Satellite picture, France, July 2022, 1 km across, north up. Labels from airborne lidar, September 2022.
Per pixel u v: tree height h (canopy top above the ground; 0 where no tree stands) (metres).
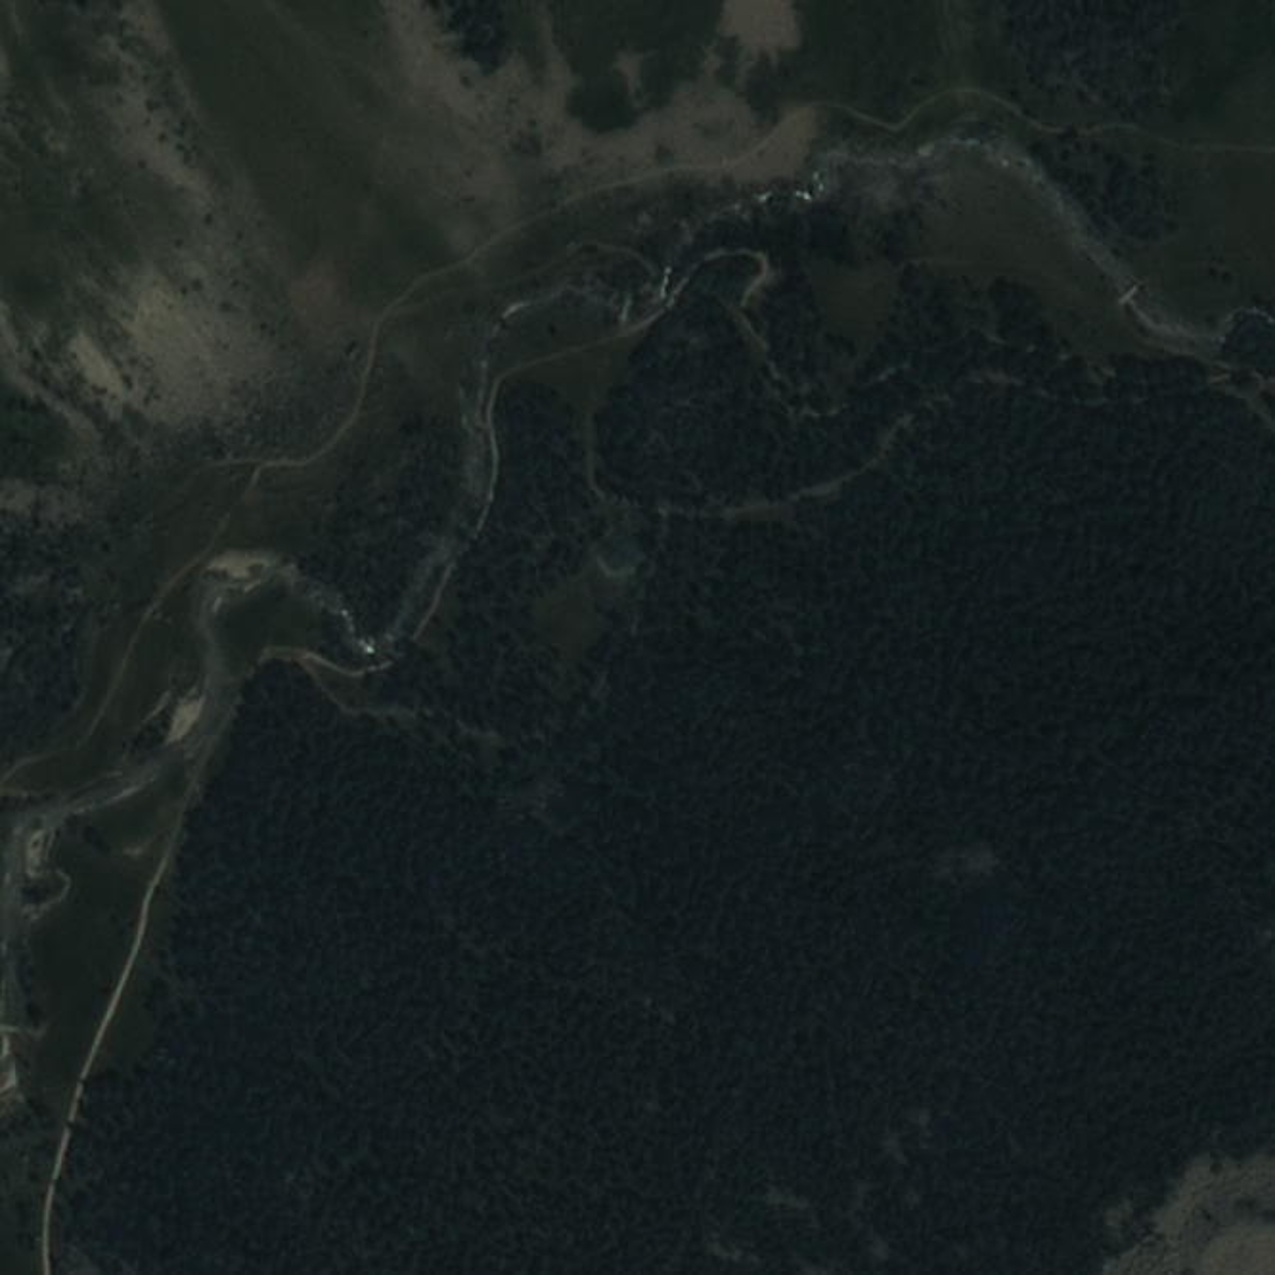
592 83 0
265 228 0
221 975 25
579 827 9
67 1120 0
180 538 0
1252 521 19
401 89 0
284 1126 24
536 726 15
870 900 17
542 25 0
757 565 6
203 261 0
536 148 0
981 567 18
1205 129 0
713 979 22
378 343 0
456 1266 7
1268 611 24
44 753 0
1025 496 21
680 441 11
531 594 12
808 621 8
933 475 23
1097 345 0
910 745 21
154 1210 13
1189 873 7
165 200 0
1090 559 17
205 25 0
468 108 0
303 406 0
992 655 14
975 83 0
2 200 0
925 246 0
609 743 22
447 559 0
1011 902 11
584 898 15
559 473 24
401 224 0
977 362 19
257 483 0
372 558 10
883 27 0
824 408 22
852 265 10
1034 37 15
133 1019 0
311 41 0
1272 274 0
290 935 12
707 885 22
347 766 10
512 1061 29
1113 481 12
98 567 0
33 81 0
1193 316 0
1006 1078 22
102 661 0
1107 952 16
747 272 6
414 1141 24
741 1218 9
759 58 0
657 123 0
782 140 0
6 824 0
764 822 15
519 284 0
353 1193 18
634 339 0
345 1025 26
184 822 0
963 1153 18
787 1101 9
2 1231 0
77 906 0
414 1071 21
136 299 0
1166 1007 8
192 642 0
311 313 0
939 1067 10
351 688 0
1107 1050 14
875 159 0
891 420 19
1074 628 20
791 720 18
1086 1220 7
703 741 12
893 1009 7
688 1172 10
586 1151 15
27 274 0
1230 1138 8
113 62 0
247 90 0
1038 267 0
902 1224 11
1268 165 0
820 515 10
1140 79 9
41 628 8
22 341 0
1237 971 8
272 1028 22
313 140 0
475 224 0
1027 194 0
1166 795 23
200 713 0
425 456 8
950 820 18
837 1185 15
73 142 0
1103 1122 7
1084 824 8
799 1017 13
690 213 8
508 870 8
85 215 0
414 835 25
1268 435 6
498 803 12
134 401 0
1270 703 24
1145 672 12
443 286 0
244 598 0
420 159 0
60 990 0
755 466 11
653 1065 26
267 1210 17
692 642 10
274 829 22
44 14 0
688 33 0
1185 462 9
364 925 16
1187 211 0
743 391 22
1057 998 18
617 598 0
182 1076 8
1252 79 0
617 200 0
